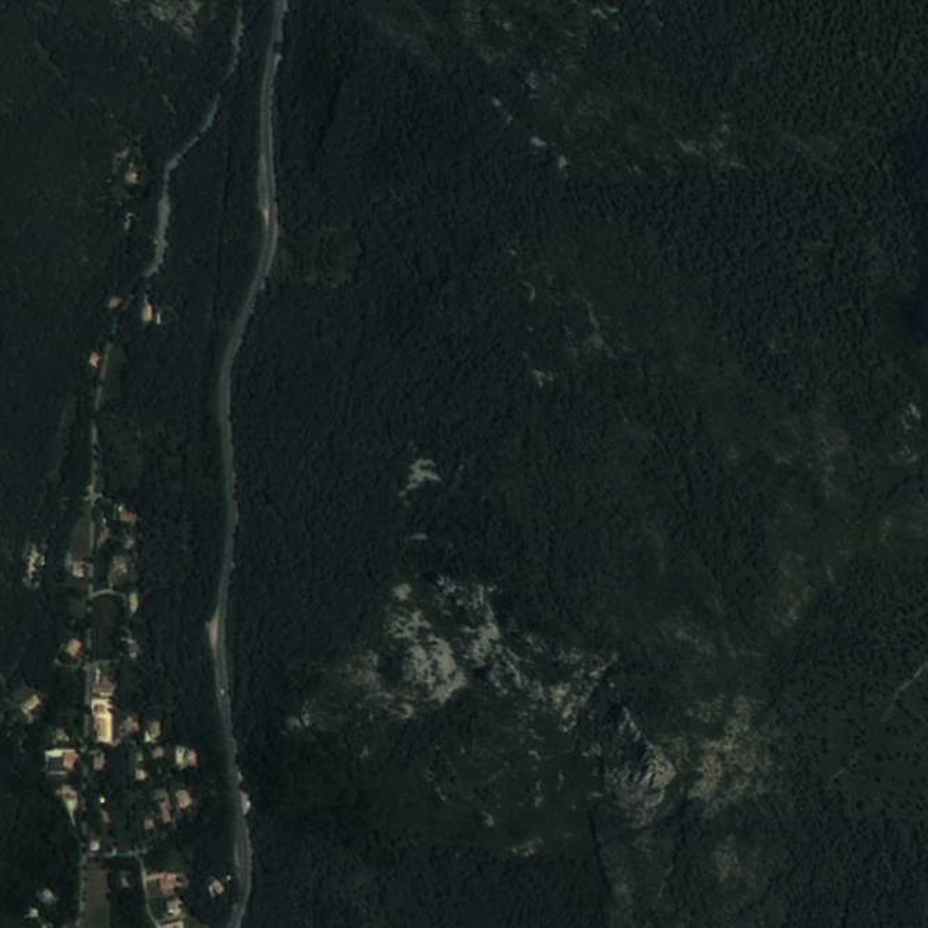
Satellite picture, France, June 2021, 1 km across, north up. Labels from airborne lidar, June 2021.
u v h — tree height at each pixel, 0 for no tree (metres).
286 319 10
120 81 11
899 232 13
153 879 0
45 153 11
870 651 9
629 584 6
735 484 9
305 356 16
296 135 13
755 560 8
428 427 9
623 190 11
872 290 12
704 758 0
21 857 10
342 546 13
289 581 9
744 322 12
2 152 11
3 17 11
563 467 8
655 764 12
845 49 15
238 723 12
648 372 8
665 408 10
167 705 10
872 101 10
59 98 12
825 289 15
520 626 12
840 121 10
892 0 11
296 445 11
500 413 9
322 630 12
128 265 13
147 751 9
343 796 10
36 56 10
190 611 9
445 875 13
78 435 10
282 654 13
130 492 8
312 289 7
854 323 14
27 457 14
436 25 0
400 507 9
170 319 7
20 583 11
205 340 7
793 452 0
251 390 14
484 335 8
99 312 10
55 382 13
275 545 7
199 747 13
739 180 12
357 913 8
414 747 12
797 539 0
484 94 12
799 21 13
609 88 6
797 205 14
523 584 9
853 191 13
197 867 9
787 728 9
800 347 7
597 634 7
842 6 9
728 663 0
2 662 11
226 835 18
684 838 11
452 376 8
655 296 6
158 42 8
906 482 9
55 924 15
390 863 10
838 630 5
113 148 12
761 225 13
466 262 8
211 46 11
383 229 10
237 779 0
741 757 0
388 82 15
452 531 9
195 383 12
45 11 13
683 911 7
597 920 8
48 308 12
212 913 15
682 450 13
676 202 8
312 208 13
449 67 9
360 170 14
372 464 10
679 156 8
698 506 12
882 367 12
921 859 9
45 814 14
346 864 6
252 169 10
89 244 8
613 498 6
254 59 12
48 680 13
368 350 10
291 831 15
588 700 6
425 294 11
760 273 9
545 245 5
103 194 8
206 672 8
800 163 7
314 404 12
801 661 9
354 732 9
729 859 0
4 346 12
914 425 8
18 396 16
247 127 16
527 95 8
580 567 14
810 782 9
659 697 9
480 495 7
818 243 15
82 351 13
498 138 13
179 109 11
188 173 14
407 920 13
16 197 12
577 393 8
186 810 7
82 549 0
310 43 6
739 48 6
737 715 0
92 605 8
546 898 11
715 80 7
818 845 8
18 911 14
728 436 0
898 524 0
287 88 11
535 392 7
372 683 0
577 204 8
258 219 12
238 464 7
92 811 7
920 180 14
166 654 10
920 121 14
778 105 9
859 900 12
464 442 12
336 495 10
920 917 8
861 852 11
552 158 9
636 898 6
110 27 8
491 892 12
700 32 6
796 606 0
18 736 15
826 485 0
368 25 11
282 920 11
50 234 11
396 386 13
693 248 12
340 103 22
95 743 9
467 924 14
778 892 9
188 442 13
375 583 14
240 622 9
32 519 9
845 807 11
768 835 6
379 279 14
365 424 12
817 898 10
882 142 8
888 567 7
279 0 0
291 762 10
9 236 12
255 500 13
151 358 12
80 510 12
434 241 12
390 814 7
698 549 10
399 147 12
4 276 10
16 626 11
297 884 10
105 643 0
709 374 0
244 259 12
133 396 9
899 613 5
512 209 9
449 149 8
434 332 13
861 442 8
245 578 11
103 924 0
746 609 9
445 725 7
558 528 13
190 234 14
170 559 10
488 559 11
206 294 12
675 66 6
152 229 8
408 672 0
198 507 10
